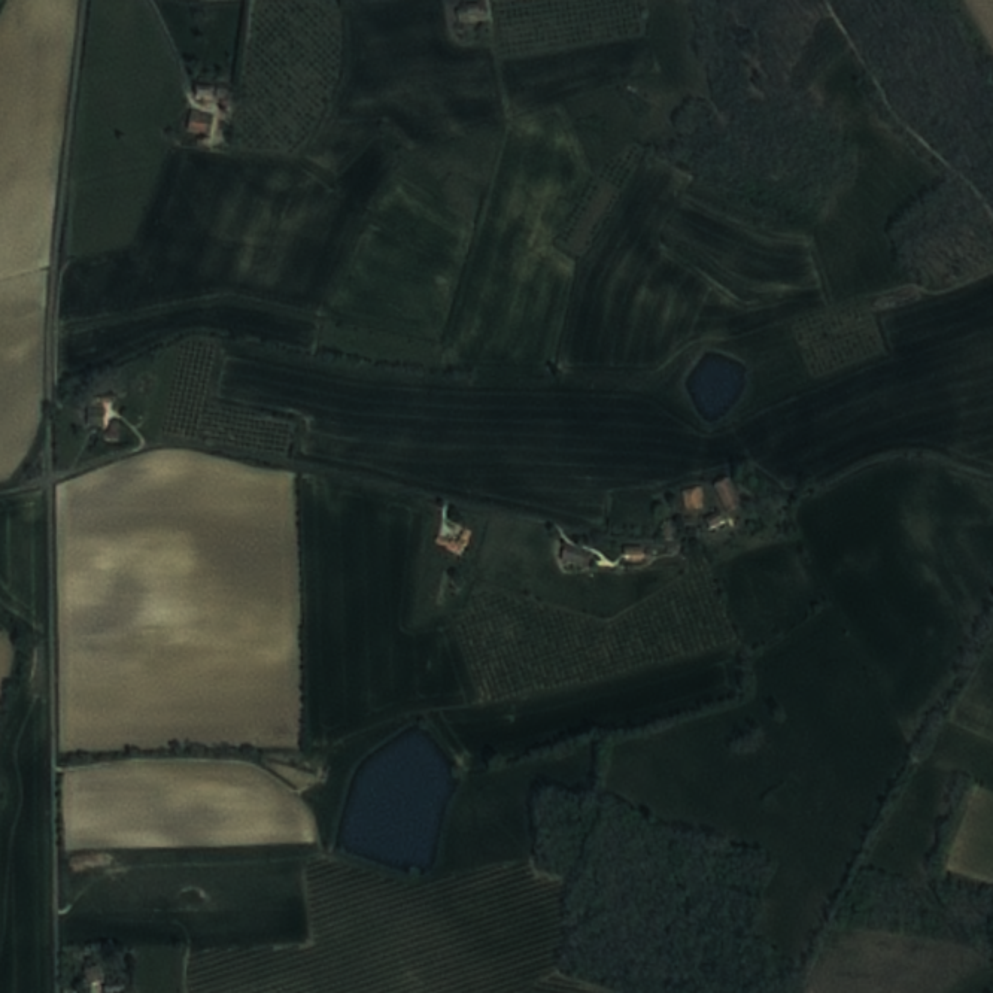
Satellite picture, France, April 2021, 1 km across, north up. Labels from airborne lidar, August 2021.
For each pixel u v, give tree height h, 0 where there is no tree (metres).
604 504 0
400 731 0
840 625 0
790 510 7
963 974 0
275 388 0
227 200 0
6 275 0
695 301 0
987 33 0
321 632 0
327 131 0
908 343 0
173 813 0
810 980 17
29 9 0
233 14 0
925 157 14
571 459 0
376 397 0
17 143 0
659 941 22
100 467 0
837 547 0
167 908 0
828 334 6
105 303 0
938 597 0
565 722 0
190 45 0
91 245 0
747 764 0
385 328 0
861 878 10
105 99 0
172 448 0
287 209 0
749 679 13
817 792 0
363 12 0
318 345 0
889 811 16
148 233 0
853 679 0
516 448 0
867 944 0
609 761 16
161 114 0
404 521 0
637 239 0
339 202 0
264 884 0
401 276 0
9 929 0
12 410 0
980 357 0
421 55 0
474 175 0
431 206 0
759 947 17
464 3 5
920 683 0
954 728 0
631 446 0
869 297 0
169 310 0
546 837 19
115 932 0
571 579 0
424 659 0
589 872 23
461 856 0
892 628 0
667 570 0
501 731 0
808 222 5
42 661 0
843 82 0
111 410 0
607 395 0
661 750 0
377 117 0
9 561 0
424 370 11
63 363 0
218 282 0
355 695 0
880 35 18
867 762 0
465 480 0
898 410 0
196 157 0
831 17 16
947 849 15
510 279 0
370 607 0
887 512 0
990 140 21
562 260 0
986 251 20
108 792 0
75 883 0
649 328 0
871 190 0
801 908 0
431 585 0
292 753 0
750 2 11
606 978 15
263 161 0
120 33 0
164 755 10
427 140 0
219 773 0
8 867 0
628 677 0
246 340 11
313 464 0
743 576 0
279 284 0
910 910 17
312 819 0
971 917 15
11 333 0
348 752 0
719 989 21
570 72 0
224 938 0
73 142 0
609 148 0
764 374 0
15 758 0
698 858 23
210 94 0
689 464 0
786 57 16
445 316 0
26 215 0
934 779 0
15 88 0
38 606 0
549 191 0
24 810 0
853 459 0
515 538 0
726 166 9
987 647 13
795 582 0
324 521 0
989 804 0
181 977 0
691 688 0
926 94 15
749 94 12
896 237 17
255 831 0
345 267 0
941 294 0
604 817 20
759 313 0
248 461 6
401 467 0
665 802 0
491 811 0
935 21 18
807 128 15
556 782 0
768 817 0
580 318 0
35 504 0
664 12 0
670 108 0
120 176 0
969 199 19
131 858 0
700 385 0
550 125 0
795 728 0
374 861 0
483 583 0
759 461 0
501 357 0
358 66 0
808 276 0
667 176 0
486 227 0
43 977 0
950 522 0
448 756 0
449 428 0
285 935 0
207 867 0
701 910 21
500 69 0
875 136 0
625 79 6
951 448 0
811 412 0
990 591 0
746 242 0
